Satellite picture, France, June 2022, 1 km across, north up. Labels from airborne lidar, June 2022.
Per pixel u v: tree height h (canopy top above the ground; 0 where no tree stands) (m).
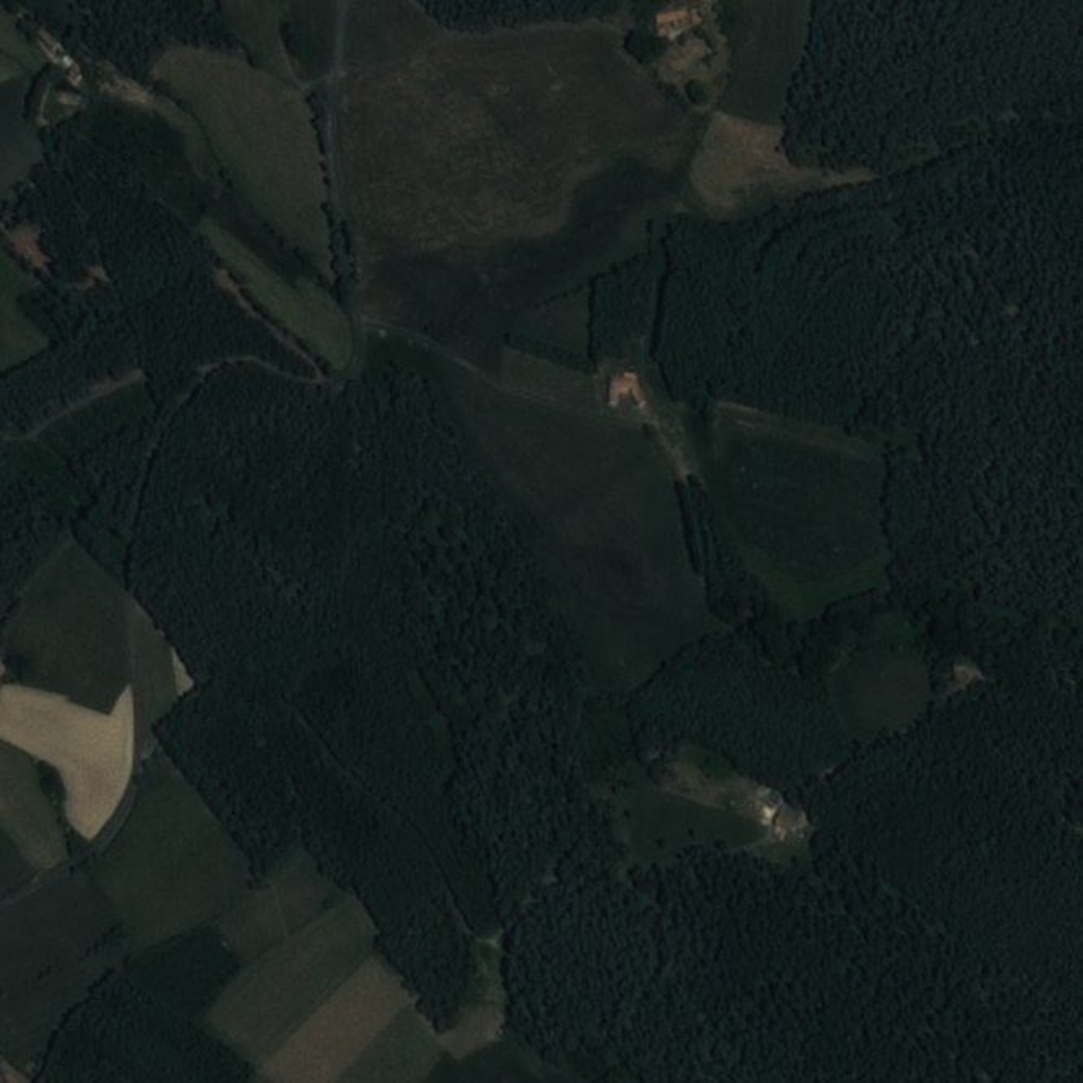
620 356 17
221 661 23
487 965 0
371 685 18
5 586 19
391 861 24
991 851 23
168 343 17
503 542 11
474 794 24
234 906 0
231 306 20
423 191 0
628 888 14
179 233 19
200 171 0
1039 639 25
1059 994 17
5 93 0
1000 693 26
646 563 0
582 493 0
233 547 23
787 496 0
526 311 0
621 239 0
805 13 0
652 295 16
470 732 10
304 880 0
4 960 0
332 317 0
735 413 0
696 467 0
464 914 12
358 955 0
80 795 0
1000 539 18
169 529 22
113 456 17
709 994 22
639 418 0
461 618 18
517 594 13
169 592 25
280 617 23
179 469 29
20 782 0
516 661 14
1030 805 26
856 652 7
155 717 0
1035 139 9
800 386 26
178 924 0
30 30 11
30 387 25
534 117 0
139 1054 17
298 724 24
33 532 23
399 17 0
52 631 0
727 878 20
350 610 15
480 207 0
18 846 0
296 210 0
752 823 0
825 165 10
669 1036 25
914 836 21
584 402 0
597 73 0
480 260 0
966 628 26
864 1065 15
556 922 21
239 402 21
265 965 0
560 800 14
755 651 10
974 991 18
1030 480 19
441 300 0
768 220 13
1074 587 20
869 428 19
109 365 28
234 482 21
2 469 21
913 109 17
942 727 22
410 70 0
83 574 0
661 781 20
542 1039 22
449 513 12
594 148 0
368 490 18
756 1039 26
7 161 0
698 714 14
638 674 0
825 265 24
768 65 0
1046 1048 12
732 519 0
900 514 23
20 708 0
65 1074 13
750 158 0
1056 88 21
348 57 0
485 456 0
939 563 14
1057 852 23
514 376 0
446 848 14
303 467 19
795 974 18
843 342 22
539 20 14
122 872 0
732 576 25
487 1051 0
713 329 26
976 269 22
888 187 26
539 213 0
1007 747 19
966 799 18
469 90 0
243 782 20
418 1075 0
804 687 17
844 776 22
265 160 0
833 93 21
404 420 11
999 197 19
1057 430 24
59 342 7
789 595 0
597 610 0
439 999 19
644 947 21
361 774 19
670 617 0
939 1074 24
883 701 0
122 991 17
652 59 18
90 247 24
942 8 20
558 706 11
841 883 21
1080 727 20
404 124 0
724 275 27
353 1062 0
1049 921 17
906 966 19
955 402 18
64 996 0
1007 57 17
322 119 15
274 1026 0
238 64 0
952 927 19
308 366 19
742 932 26
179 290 16
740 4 0
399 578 12
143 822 0
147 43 20
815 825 20
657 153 0
